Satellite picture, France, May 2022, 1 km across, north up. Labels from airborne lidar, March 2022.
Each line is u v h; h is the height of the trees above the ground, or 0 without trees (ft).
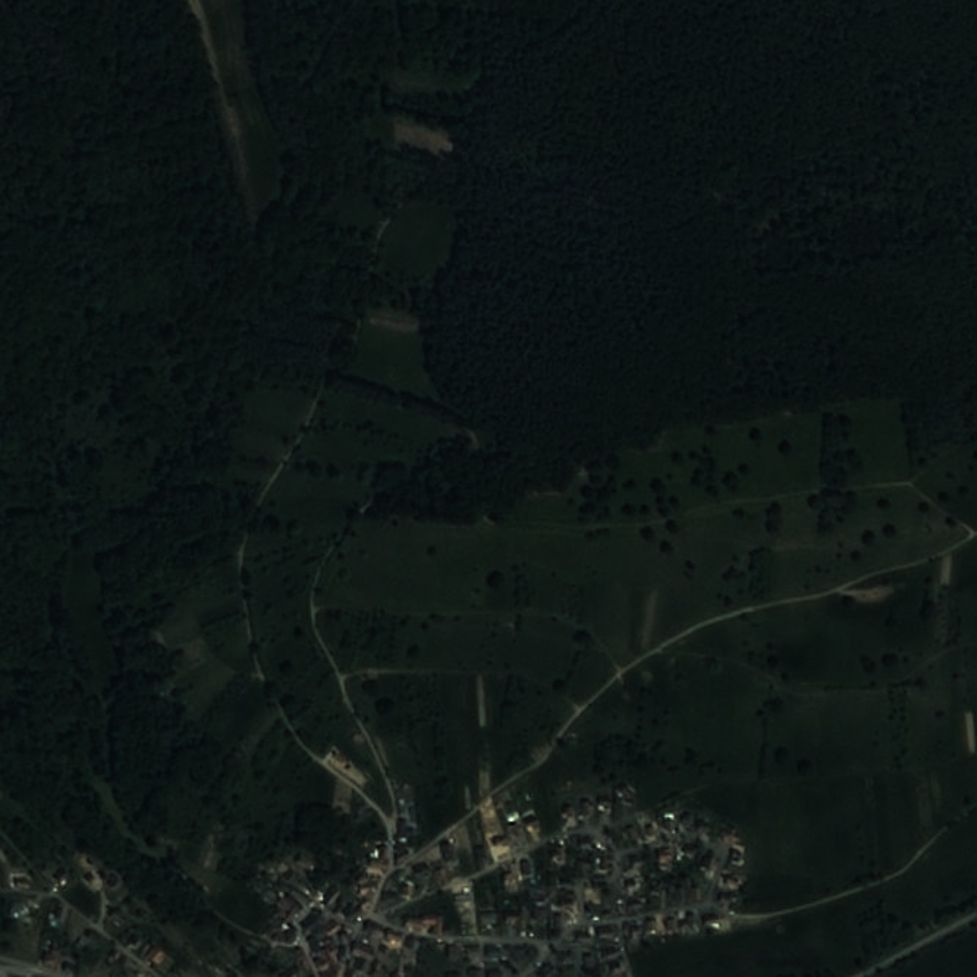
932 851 0
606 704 0
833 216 46
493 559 0
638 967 0
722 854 0
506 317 81
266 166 0
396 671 0
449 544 0
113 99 88
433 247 0
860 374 53
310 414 0
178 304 62
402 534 0
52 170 72
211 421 76
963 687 0
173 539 66
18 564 69
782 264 41
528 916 0
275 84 69
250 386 66
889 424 0
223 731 0
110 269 82
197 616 0
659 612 0
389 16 65
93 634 0
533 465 46
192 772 42
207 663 0
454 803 0
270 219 71
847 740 0
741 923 0
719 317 59
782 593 0
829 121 69
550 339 65
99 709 68
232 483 0
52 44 81
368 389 69
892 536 45
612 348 57
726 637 0
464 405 72
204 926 59
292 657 0
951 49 56
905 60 52
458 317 78
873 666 39
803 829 0
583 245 83
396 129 0
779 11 71
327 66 65
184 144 41
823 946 0
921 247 46
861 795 0
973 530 0
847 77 78
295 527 28
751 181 70
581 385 55
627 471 0
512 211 78
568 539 0
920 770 0
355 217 0
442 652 0
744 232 52
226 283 70
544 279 76
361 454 0
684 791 0
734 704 0
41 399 65
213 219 67
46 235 76
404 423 0
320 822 48
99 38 78
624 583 0
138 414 62
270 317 105
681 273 62
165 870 37
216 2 0
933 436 51
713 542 0
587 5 77
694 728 0
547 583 0
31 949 0
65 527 69
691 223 67
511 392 79
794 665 0
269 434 0
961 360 70
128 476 0
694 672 0
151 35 86
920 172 73
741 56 77
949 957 0
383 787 0
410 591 0
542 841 0
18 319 66
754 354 53
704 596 0
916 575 0
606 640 0
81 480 72
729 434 0
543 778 0
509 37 75
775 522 36
